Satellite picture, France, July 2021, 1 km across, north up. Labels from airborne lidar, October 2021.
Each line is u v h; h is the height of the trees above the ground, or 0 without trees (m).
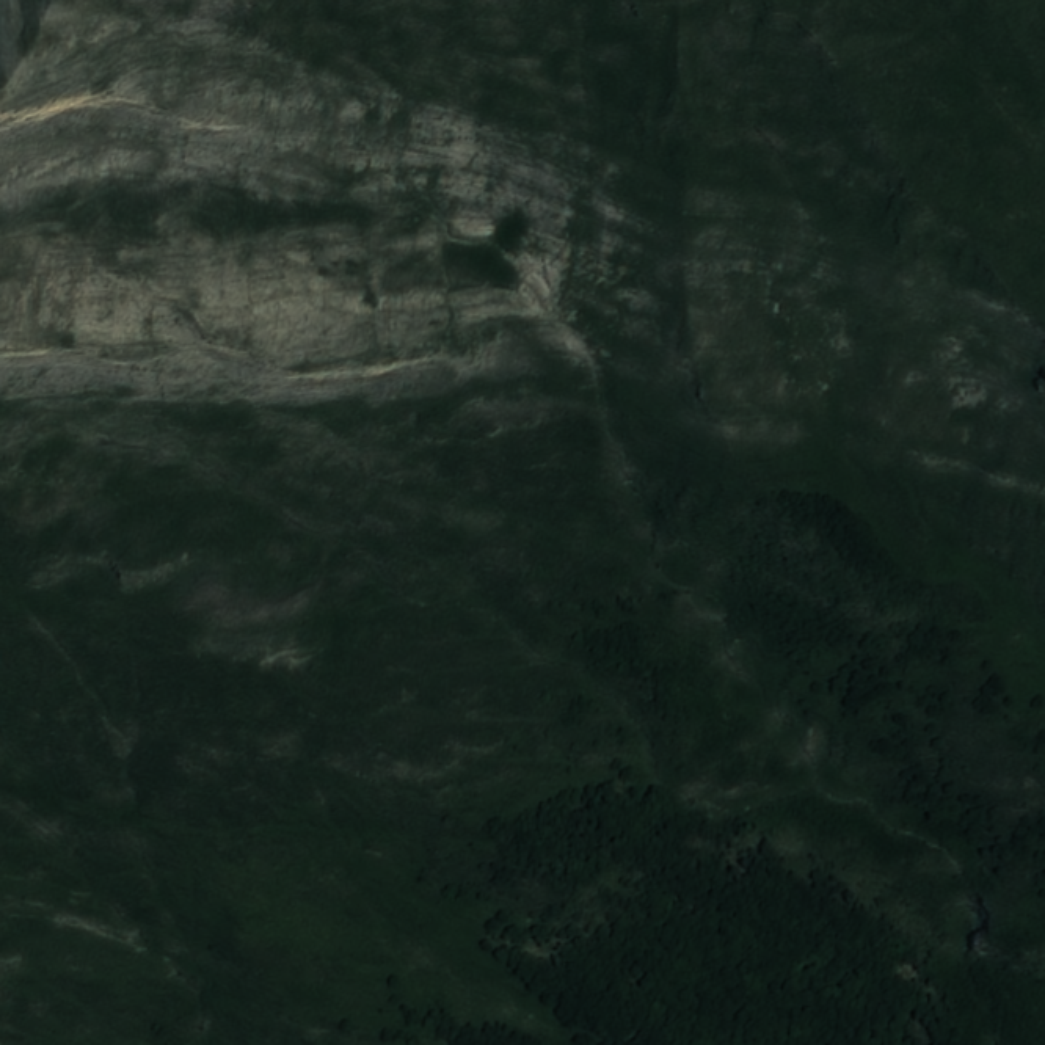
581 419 0
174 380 0
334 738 0
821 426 0
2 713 0
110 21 0
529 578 7
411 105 0
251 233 0
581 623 0
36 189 0
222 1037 0
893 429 0
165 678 0
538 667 0
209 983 6
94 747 0
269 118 0
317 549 0
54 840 0
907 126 0
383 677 0
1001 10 0
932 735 14
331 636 0
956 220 0
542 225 0
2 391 0
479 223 0
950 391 0
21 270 0
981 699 6
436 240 0
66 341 0
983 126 0
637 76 0
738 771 8
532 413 0
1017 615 0
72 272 0
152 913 0
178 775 0
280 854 0
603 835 19
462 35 0
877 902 8
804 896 24
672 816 22
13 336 0
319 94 0
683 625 0
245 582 0
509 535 0
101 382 0
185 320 0
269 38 0
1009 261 0
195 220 0
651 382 0
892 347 0
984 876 6
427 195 0
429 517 0
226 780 0
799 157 0
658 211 0
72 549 0
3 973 0
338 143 0
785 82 0
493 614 0
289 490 0
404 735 0
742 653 0
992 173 0
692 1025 26
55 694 0
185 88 0
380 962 0
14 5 0
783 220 0
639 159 0
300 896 0
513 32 0
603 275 0
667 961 24
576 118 0
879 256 0
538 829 13
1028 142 0
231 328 0
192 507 0
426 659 0
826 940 26
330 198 0
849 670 12
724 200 0
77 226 0
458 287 0
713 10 0
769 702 0
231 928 0
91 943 0
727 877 19
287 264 0
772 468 0
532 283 0
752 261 0
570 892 7
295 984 0
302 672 0
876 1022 32
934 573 0
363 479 0
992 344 0
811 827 5
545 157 0
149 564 0
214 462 0
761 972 30
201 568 0
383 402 0
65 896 0
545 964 26
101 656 0
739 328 0
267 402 0
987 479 0
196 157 0
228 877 0
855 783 0
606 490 0
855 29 0
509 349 0
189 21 0
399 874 0
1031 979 8
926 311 0
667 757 0
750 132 0
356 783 0
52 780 0
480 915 0
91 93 0
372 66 0
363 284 0
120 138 0
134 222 0
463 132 0
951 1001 19
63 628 0
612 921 16
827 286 0
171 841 0
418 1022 18
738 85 0
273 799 0
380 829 0
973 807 7
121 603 0
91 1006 0
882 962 25
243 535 0
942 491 0
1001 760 0
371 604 0
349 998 0
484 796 0
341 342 0
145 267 0
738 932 23
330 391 0
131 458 0
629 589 6
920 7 0
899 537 0
